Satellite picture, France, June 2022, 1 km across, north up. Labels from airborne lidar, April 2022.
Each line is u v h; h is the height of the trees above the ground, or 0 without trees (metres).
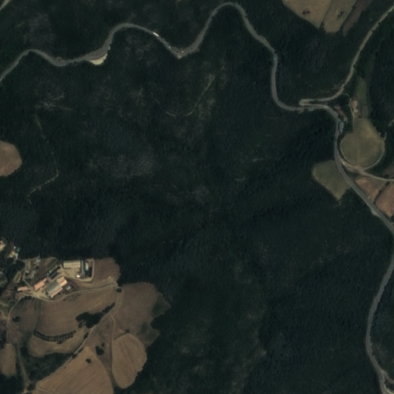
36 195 8
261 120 7
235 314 8
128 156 11
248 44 9
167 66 8
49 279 0
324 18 0
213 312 9
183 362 8
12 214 12
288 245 7
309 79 6
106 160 6
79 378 0
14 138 12
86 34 9
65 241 15
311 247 6
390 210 0
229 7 13
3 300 0
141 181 8
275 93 0
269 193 7
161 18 0
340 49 7
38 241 15
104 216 12
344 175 0
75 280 0
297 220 6
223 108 7
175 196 9
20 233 14
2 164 0
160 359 6
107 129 8
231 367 6
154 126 16
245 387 6
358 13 0
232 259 9
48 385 0
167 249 18
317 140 18
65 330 0
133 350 0
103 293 0
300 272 14
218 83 8
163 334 6
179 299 10
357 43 8
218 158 9
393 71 9
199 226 16
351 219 6
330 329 9
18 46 9
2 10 6
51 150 12
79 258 9
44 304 0
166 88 9
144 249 11
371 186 0
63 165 11
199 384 6
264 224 9
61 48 10
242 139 7
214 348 15
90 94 7
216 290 9
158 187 8
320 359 7
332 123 9
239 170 6
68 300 0
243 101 6
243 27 8
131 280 9
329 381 7
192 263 9
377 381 11
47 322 0
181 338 6
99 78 8
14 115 12
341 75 6
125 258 12
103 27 8
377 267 11
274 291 7
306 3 0
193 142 8
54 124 12
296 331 11
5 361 0
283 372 6
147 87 6
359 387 9
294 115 8
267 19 10
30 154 11
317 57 11
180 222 12
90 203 18
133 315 0
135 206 17
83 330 0
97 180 10
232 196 9
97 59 0
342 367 11
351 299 7
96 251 16
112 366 0
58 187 8
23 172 9
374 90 7
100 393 0
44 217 12
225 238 12
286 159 19
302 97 7
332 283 9
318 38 12
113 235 14
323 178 0
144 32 8
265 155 8
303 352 7
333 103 13
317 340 7
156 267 14
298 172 8
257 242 6
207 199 7
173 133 7
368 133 0
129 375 0
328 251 8
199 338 6
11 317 0
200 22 7
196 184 6
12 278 7
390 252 13
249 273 8
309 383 7
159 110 9
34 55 14
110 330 0
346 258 7
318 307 8
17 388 13
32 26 0
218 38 6
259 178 10
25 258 10
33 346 0
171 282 10
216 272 10
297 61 11
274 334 9
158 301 0
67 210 7
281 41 8
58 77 6
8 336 0
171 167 8
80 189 6
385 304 8
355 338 8
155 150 9
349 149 0
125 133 13
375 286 7
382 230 8
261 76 15
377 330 11
